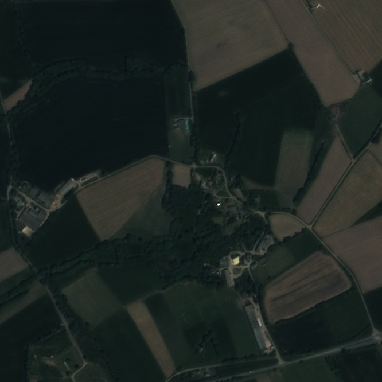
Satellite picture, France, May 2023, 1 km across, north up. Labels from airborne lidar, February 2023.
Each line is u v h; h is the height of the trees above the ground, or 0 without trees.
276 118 0
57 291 15
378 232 0
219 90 0
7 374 0
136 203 0
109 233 0
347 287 0
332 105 0
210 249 17
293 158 0
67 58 0
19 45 9
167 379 0
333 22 0
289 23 0
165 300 0
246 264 0
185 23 0
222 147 0
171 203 24
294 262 0
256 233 13
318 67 0
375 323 0
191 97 0
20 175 0
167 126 0
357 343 0
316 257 0
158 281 0
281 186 0
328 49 0
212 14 0
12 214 15
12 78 0
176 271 8
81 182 0
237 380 14
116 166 0
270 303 0
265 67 0
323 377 0
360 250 0
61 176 0
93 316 0
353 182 0
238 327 0
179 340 0
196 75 0
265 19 0
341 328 0
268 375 0
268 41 0
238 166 0
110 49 0
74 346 0
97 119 0
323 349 0
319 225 0
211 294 0
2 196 0
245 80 0
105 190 0
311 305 0
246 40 0
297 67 0
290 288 0
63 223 0
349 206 0
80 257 11
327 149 0
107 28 0
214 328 0
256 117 0
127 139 0
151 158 0
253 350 0
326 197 0
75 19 0
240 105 0
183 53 0
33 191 0
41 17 0
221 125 0
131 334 0
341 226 0
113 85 0
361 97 0
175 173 0
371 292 0
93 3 0
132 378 0
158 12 0
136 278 0
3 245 0
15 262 0
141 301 0
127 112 0
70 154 0
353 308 0
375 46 0
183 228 0
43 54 0
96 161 0
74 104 0
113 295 0
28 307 0
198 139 8
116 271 0
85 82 0
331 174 0
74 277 0
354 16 0
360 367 0
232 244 6
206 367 0
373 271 0
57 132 0
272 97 0
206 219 12
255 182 0
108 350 0
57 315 0
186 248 0
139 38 0
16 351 0
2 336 0
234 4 0
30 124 0
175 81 0
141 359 0
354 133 0
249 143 0
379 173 0
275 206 0
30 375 0
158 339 0
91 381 0
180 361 0
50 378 0
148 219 0
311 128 0
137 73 13
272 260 0
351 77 0
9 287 0
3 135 0
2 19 0
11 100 0
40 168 0
